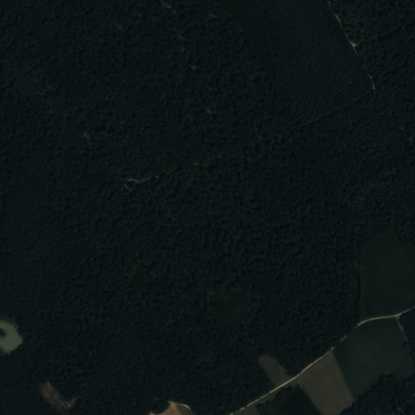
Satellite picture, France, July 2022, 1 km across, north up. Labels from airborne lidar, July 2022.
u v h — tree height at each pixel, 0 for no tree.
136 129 30
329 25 18
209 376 30
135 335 20
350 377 0
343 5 32
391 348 0
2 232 25
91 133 26
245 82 33
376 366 0
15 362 23
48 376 26
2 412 19
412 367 0
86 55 29
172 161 26
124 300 25
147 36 29
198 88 29
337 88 19
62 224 22
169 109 25
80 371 25
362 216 31
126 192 36
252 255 31
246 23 12
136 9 26
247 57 30
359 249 24
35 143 20
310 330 25
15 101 28
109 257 27
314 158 30
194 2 23
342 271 30
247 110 28
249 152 32
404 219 24
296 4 20
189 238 26
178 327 25
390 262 0
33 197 22
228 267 25
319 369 0
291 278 31
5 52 8
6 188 25
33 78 29
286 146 29
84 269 24
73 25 29
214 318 14
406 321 19
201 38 26
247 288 25
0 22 26
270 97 28
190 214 33
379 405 24
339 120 29
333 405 0
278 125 25
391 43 34
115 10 29
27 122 23
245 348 22
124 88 29
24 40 18
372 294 0
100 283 19
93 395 21
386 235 0
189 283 0
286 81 23
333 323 26
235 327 0
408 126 36
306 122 28
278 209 30
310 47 21
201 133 29
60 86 28
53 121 24
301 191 25
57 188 23
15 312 22
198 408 26
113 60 24
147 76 30
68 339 29
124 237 28
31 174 23
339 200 26
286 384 0
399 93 34
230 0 12
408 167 33
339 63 18
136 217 18
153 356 25
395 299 0
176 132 30
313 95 24
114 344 21
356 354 0
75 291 29
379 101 25
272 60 15
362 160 30
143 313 25
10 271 20
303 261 31
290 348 18
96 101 31
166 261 29
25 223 21
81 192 28
